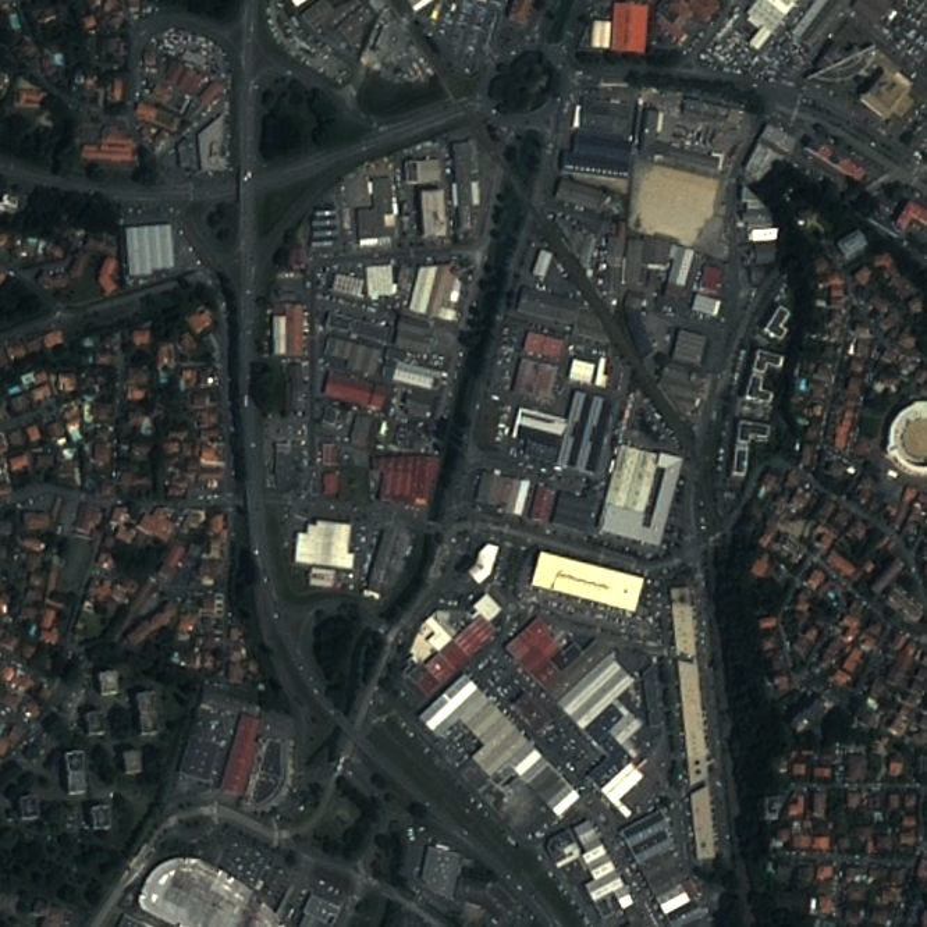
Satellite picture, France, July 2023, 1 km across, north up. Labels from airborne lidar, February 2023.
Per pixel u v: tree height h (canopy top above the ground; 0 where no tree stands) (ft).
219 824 0
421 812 39
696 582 0
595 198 0
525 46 0
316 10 0
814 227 0
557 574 0
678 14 0
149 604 0
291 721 0
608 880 0
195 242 0
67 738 64
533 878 0
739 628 75
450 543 0
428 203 0
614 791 0
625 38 0
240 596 40
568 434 0
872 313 21
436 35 0
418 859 0
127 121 0
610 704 0
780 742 62
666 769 0
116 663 52
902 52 0
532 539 0
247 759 0
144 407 51
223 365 0
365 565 0
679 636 0
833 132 0
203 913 0
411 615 0
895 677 0
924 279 68
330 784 0
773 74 0
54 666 35
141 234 0
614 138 0
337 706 44
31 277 0
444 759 0
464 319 0
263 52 0
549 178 0
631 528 0
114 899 0
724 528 0
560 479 0
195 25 0
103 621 26
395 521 0
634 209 0
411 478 0
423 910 0
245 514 55
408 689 0
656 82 71
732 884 72
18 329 0
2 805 0
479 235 0
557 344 0
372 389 0
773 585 40
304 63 0
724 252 0
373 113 0
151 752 57
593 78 0
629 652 0
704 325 0
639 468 0
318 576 0
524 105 34
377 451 25
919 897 48
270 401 70
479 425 0
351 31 0
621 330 0
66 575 0
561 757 0
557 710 0
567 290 0
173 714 0
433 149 0
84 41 23
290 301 0
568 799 0
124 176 0
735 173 0
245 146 0
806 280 23
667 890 0
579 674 0
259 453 0
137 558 23
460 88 0
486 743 0
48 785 49
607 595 0
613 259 0
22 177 0
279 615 0
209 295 73
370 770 0
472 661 0
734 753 42
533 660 0
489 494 0
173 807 0
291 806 0
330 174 0
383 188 0
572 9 0
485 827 0
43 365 40
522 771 0
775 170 60
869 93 0
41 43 35
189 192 0
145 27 0
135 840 30
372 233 0
